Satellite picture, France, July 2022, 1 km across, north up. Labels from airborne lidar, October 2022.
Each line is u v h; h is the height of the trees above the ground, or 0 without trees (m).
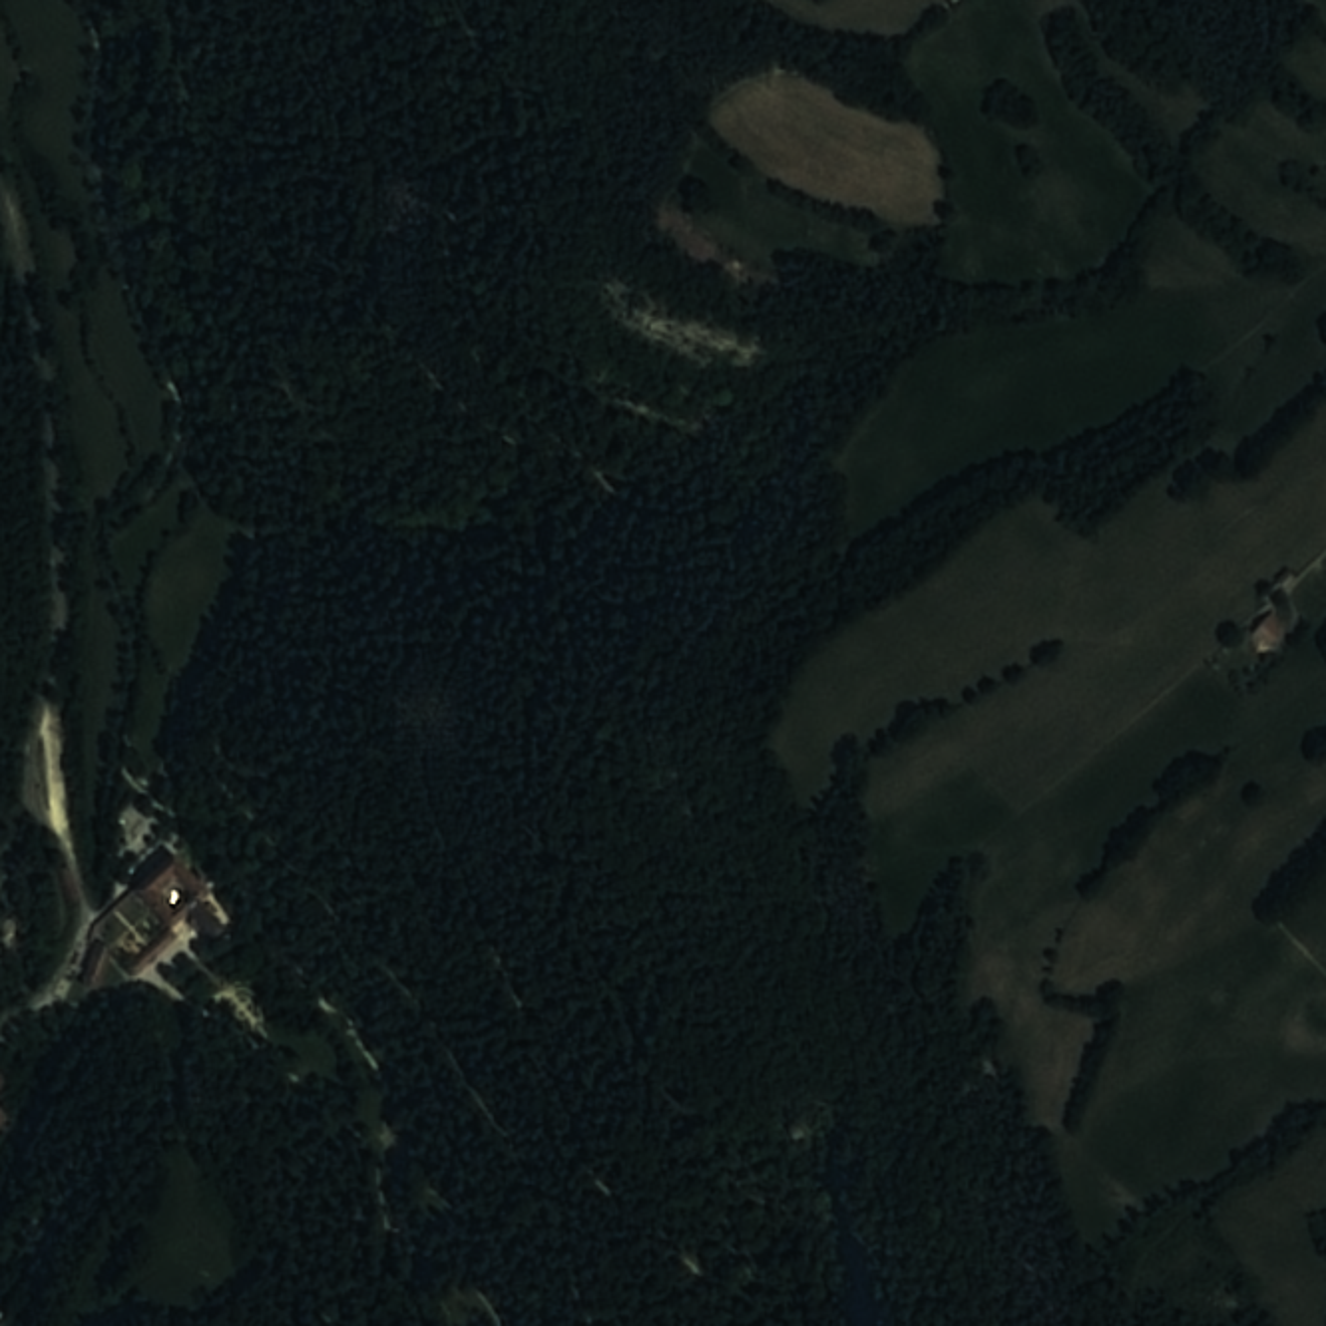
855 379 18
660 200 24
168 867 0
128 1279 16
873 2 0
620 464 22
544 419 15
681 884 18
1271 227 0
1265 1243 0
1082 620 0
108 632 0
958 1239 15
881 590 15
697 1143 28
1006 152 0
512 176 28
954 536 20
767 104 0
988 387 0
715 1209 28
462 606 32
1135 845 17
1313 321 0
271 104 23
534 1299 33
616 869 30
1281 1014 0
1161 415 12
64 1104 30
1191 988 0
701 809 12
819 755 0
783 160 0
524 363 16
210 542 0
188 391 16
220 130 10
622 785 23
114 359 0
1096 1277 15
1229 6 21
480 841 27
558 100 27
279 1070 30
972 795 0
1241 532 0
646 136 23
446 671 19
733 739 12
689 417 24
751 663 17
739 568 19
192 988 26
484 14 24
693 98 25
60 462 18
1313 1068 0
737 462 30
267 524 29
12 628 12
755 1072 18
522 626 11
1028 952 0
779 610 13
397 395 27
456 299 12
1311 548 0
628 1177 23
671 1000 28
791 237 0
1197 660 0
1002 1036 11
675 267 16
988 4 0
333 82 14
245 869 24
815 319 19
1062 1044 0
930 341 9
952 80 0
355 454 24
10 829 27
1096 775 0
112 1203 25
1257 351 0
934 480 0
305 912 22
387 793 19
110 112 23
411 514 22
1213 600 0
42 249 6
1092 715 0
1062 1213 16
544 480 14
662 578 11
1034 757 0
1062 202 0
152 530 0
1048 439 0
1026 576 0
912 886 0
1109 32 14
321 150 28
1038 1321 17
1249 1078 0
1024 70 0
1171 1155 0
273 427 23
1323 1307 0
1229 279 0
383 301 26
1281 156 0
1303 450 0
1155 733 0
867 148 0
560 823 27
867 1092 29
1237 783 0
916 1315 21
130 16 31
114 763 18
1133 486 15
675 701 19
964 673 0
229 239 10
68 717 11
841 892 16
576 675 19
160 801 21
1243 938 0
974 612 0
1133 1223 11
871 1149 26
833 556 7
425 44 31
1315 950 0
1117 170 0
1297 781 0
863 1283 24
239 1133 26
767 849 14
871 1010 17
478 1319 10
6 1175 10
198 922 0
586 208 23
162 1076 19
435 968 16
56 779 0
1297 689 0
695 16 23
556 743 23
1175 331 0
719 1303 27
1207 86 9
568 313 20
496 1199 24
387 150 26
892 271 7
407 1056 11
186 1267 0
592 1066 29
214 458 24
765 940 17
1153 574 0
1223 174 0
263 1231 16
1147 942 0
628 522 34
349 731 19
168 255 27
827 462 16
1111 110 19
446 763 23
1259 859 0
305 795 19
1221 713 0
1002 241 0
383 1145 0
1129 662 0
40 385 26
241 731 20
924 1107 16
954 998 11
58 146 0
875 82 22
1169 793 19
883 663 0
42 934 21
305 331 28
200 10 24
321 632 14
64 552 21
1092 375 0
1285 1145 16
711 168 0
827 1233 20
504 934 28
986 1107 14
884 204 0
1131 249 13
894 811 0
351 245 30
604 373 27
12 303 15
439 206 28
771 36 26
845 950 17
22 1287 25
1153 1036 0
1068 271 0
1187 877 0
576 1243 22
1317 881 17
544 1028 27
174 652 0
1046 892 0
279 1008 7
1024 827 0
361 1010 9
